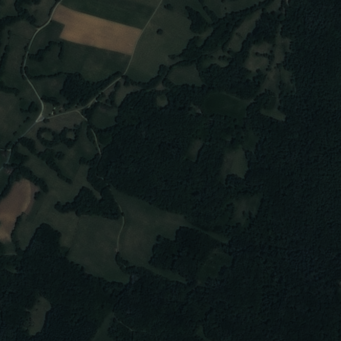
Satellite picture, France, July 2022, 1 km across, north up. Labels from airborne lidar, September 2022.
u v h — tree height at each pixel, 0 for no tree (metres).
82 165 10
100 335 0
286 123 15
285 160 16
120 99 0
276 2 0
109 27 0
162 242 13
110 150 10
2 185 0
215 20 15
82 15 0
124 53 0
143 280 21
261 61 0
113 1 0
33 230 0
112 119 0
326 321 31
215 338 19
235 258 19
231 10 0
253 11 13
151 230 0
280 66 11
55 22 0
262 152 18
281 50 0
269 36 23
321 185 17
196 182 17
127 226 0
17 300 19
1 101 0
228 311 23
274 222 18
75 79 15
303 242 20
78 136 12
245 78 10
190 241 19
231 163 0
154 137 16
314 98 14
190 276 7
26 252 16
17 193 0
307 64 16
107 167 19
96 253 0
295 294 24
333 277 19
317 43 17
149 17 0
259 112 13
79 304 21
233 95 14
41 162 0
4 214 0
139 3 0
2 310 17
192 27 9
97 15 0
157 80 12
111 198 14
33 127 0
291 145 16
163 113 17
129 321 13
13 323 20
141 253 0
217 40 12
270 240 18
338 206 17
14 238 12
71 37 0
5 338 31
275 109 0
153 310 19
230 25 16
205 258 11
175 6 0
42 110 0
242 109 0
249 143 0
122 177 15
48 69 0
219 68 15
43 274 24
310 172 21
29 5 7
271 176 20
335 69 6
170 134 17
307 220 19
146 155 18
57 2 9
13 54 0
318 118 20
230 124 13
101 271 0
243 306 22
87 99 13
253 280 19
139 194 17
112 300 7
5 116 0
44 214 0
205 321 13
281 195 19
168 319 16
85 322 20
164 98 0
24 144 15
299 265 25
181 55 9
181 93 15
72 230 0
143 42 0
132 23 0
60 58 11
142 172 16
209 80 16
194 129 12
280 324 19
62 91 13
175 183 18
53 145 12
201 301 19
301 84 11
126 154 18
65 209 22
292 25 13
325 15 13
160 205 15
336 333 25
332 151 15
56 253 17
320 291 27
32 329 0
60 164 0
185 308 19
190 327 23
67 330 22
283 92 8
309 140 18
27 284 29
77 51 0
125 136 13
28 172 20
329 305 35
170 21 0
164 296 24
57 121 0
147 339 15
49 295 20
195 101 17
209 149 17
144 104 8
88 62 0
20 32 0
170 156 7
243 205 0
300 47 10
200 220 18
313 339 29
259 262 21
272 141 19
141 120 17
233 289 25
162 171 18
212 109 0
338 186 13
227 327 19
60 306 24
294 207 17
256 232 11
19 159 9
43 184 16
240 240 21
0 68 14
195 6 0
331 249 21
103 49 0
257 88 16
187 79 0
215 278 0
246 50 18
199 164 18
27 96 0
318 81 13
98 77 0
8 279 16
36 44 0
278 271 21
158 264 24
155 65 0
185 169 21
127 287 20
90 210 16
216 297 22
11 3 0
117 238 0
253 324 22
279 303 16
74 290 24
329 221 15
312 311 20
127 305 20
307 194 18
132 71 0
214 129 17
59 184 0
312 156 22
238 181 25
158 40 0
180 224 0
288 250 19
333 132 17
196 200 6
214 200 25
